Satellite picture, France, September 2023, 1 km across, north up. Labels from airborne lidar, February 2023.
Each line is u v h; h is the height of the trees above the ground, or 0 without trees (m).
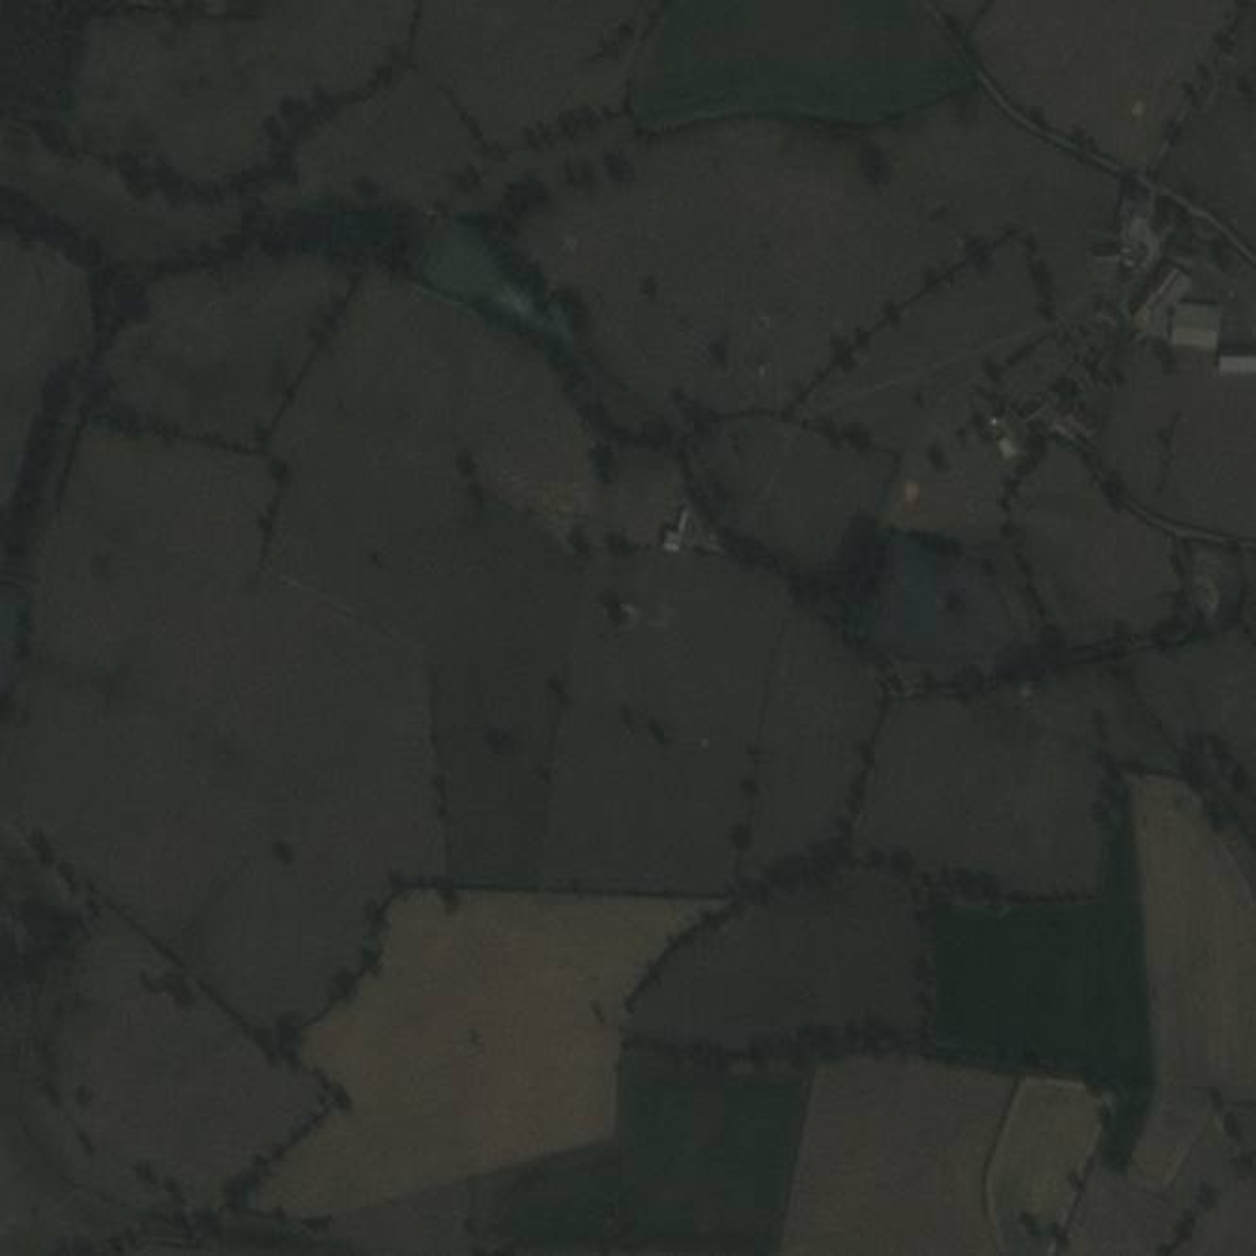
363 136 0
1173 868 0
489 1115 0
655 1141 0
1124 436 0
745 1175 0
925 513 0
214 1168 0
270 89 0
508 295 0
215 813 0
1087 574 0
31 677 0
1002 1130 0
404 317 0
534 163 0
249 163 0
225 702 0
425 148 0
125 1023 0
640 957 0
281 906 0
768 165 0
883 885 0
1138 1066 0
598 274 0
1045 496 0
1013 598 0
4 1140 0
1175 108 0
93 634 0
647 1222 0
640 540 0
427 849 0
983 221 0
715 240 0
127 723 0
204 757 0
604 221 0
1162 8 0
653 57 0
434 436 0
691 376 0
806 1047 15
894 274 0
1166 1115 0
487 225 12
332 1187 0
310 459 0
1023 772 0
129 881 0
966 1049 11
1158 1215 0
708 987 0
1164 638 14
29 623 15
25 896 0
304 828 0
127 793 0
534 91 0
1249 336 0
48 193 0
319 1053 0
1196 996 0
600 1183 0
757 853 0
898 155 0
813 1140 0
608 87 0
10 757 0
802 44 0
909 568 0
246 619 0
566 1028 0
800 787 0
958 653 0
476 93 0
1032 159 0
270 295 0
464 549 0
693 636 0
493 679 0
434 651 0
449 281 0
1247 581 0
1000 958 0
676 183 0
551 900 0
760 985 0
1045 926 0
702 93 0
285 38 0
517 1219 0
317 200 0
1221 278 0
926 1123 0
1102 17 0
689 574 0
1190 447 0
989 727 0
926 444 0
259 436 10
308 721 0
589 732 0
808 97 0
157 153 0
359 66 0
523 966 0
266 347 0
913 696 0
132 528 0
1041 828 0
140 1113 0
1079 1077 7
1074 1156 0
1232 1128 13
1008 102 0
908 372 0
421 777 0
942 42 0
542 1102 0
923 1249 0
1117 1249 0
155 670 0
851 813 8
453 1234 0
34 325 0
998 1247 0
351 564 0
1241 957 0
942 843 0
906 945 0
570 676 0
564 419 0
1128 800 0
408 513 0
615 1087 0
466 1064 0
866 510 0
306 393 0
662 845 0
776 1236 0
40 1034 0
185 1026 0
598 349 0
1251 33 0
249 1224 0
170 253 0
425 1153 0
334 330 18
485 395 0
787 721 0
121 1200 0
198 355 0
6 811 0
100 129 0
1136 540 0
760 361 0
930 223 0
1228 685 0
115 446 0
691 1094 0
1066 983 0
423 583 0
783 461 0
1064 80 0
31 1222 0
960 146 0
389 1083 0
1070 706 0
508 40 0
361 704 0
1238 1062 0
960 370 0
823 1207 0
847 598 29
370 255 18
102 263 7
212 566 0
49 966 0
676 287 0
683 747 0
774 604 0
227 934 0
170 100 0
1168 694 0
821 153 0
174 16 13
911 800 0
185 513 0
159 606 0
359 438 0
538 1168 0
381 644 0
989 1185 0
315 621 0
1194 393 0
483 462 0
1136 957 0
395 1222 0
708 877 0
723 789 0
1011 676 15
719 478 0
